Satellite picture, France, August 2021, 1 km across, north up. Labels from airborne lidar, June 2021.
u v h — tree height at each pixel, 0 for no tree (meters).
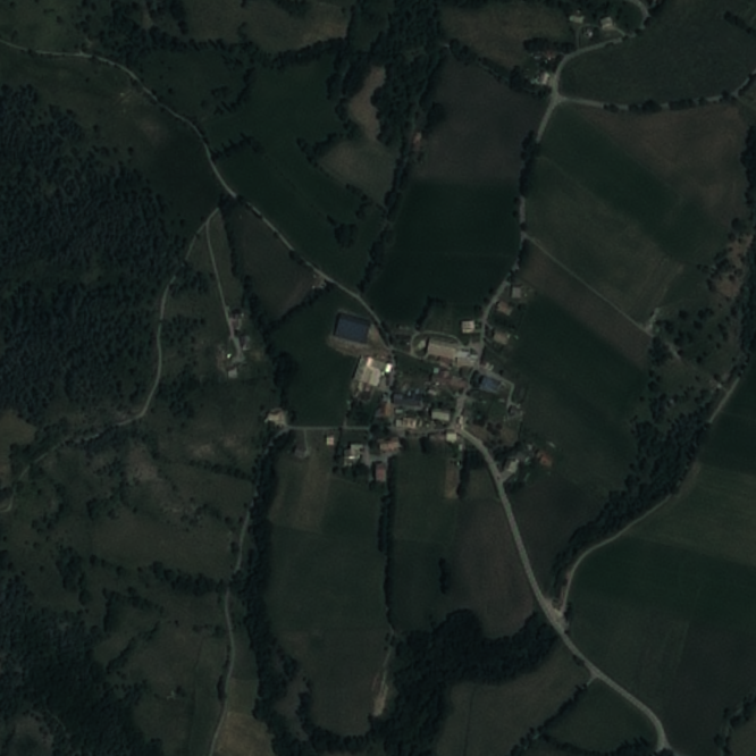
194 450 0
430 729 8
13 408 22
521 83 15
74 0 0
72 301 22
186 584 11
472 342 0
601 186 0
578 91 0
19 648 14
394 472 13
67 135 19
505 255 0
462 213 0
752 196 13
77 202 12
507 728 0
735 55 0
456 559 0
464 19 0
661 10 11
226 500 0
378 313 0
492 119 0
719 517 0
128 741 9
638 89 0
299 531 0
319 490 0
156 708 0
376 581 0
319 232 0
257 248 0
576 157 0
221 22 0
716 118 0
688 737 0
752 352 13
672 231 0
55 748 9
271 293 0
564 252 0
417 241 0
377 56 16
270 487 18
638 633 0
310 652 0
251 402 0
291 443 8
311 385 0
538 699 0
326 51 10
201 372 0
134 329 17
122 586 0
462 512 0
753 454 0
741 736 0
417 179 0
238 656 0
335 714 0
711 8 0
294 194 0
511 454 8
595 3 14
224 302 0
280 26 0
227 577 0
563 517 0
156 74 0
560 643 12
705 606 0
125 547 0
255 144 14
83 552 0
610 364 0
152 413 5
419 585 0
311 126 0
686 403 13
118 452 7
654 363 8
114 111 0
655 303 0
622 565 0
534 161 17
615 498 11
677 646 0
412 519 0
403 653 16
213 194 0
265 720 17
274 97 0
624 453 0
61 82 0
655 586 0
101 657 0
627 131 0
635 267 0
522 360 0
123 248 18
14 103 19
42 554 0
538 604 0
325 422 0
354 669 0
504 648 21
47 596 0
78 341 27
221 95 15
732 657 0
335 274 0
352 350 0
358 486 0
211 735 0
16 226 8
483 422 8
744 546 0
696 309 0
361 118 0
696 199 0
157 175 0
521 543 0
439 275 0
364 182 0
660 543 0
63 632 7
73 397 22
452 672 16
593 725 0
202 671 0
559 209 0
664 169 0
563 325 0
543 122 0
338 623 0
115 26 13
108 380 17
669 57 0
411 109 12
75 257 28
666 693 0
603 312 0
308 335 0
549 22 0
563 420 0
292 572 0
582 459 0
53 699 14
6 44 0
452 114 0
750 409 0
